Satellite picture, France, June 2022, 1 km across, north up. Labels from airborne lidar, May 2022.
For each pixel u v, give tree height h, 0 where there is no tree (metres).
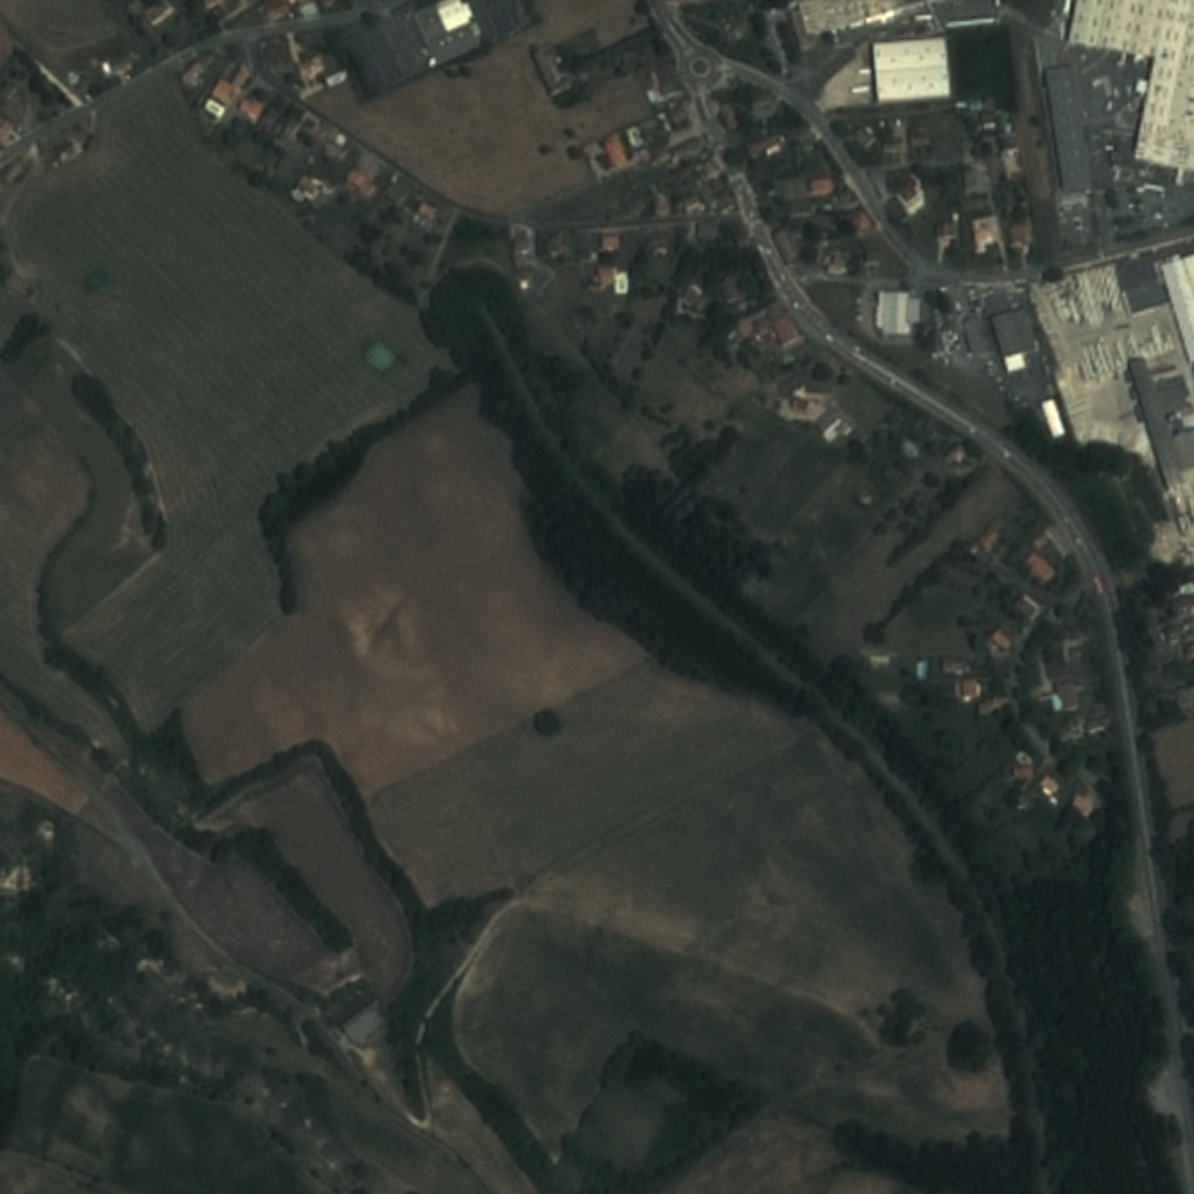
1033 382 0
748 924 0
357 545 0
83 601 0
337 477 11
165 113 0
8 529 0
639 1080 7
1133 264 0
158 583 0
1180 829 0
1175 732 0
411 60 0
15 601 0
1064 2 0
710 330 9
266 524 16
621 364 0
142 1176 0
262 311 0
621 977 0
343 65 7
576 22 0
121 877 0
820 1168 0
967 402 0
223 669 0
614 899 0
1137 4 0
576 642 0
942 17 0
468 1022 0
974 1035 21
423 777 0
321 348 0
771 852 0
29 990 9
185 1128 0
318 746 9
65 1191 0
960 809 22
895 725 13
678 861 0
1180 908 12
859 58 0
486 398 12
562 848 0
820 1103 0
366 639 0
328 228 0
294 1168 0
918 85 0
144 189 0
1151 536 0
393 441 0
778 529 0
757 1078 0
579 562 20
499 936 0
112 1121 0
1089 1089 17
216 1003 10
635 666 0
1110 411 0
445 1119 0
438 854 0
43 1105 0
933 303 9
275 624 0
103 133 0
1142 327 0
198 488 0
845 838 0
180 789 0
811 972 0
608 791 0
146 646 0
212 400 0
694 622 7
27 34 0
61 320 0
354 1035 0
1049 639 16
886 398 6
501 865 0
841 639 0
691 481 15
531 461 21
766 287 14
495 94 0
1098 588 0
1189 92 0
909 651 0
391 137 0
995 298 0
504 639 0
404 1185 0
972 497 0
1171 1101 0
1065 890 14
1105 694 7
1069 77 0
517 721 0
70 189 0
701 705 0
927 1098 0
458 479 0
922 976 0
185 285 0
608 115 0
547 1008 0
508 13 0
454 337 9
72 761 0
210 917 0
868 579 0
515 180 0
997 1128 0
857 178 0
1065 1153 20
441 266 6
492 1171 0
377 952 0
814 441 0
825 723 16
